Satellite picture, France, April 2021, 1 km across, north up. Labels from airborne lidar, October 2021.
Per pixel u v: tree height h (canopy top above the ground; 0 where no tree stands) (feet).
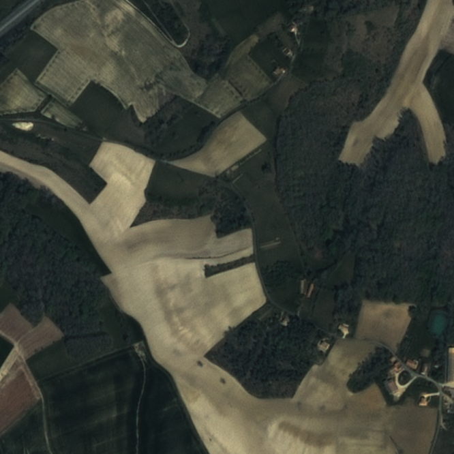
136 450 0
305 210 52
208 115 0
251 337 38
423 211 74
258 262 0
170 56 0
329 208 66
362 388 22
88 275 48
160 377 0
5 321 0
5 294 0
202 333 0
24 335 0
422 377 0
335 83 41
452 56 0
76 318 61
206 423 0
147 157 23
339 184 70
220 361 58
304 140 67
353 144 0
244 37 0
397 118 0
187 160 0
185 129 0
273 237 0
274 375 46
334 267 23
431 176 67
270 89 0
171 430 0
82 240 0
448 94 0
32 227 69
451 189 51
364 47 23
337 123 51
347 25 26
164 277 0
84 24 0
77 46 0
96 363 0
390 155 32
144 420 0
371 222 68
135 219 0
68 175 0
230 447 0
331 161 45
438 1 0
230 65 0
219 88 0
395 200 60
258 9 0
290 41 0
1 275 68
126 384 0
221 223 27
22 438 0
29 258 29
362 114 35
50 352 0
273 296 0
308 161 73
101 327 69
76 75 0
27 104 0
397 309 0
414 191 73
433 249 64
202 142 43
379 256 91
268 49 0
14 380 0
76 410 0
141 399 0
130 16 0
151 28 0
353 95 41
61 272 77
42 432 0
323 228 81
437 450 0
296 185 69
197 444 0
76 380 0
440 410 0
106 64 0
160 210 19
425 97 0
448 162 57
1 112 0
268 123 0
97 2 0
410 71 0
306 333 73
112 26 0
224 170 0
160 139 32
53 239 69
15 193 72
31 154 0
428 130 0
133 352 0
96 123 0
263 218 0
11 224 74
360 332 0
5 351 0
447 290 76
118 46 0
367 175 42
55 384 0
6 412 0
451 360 0
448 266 80
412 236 70
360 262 34
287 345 76
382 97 77
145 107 0
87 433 0
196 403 0
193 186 0
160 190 0
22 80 0
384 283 66
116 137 0
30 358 0
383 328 0
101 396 0
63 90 0
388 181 49
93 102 0
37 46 0
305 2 22
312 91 53
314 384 0
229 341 53
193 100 0
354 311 71
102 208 0
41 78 0
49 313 67
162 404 0
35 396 0
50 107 0
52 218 0
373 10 21
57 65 0
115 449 0
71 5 0
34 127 0
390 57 40
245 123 0
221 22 0
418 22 58
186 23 0
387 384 0
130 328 0
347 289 39
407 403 0
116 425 0
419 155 42
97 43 0
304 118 68
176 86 0
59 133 0
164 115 0
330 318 0
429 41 0
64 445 0
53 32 0
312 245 44
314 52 27
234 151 0
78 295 71
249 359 46
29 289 60
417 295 74
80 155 0
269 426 0
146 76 0
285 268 18
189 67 0
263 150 0
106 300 86
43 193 41
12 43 23
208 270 47
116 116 0
